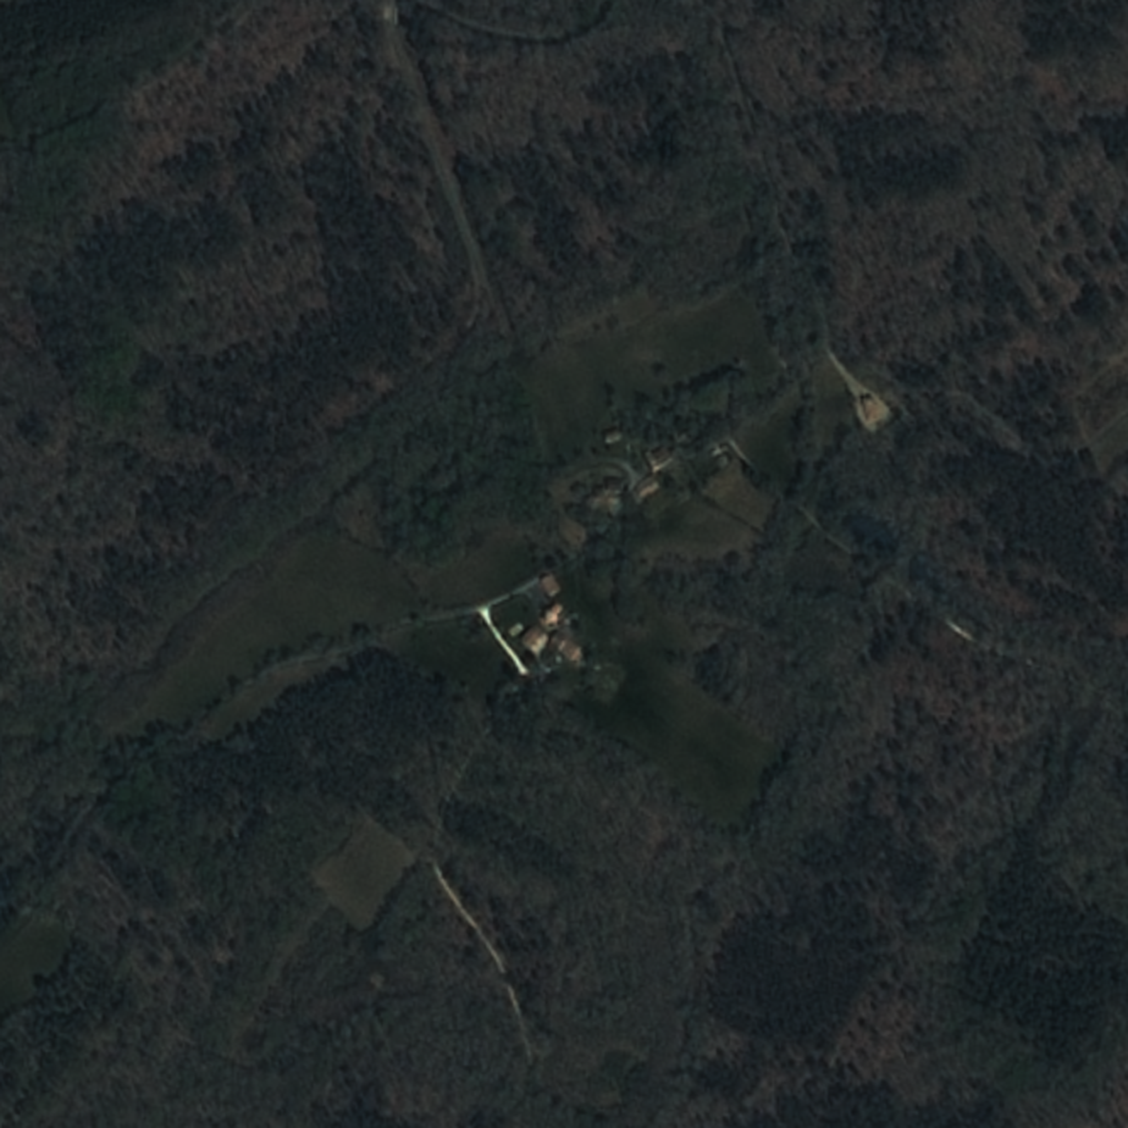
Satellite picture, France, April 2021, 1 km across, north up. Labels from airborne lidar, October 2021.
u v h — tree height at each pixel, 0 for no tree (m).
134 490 6
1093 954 15
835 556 10
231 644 0
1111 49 24
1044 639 21
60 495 8
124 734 0
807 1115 21
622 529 11
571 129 13
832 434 0
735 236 9
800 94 12
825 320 26
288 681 0
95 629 23
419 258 22
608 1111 7
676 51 13
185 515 23
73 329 21
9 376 10
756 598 24
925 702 9
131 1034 22
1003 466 23
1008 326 9
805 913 17
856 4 15
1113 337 16
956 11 13
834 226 16
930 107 14
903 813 12
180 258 28
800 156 14
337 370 25
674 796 13
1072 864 26
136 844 19
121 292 26
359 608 0
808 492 18
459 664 0
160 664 7
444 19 16
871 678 13
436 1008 21
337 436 16
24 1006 7
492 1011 19
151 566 17
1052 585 12
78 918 19
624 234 14
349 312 25
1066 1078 17
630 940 15
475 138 15
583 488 6
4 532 13
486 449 19
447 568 18
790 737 15
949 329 12
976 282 9
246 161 26
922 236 14
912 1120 20
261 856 21
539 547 8
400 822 13
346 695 20
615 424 6
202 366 8
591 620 0
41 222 19
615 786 22
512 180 18
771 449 0
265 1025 8
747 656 14
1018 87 14
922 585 17
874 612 16
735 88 18
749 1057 11
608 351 0
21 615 14
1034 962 19
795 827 24
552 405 0
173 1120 18
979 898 23
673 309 22
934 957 17
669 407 10
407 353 28
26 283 17
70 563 12
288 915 26
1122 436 0
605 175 20
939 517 11
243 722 0
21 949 0
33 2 14
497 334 15
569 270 21
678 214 17
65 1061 24
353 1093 16
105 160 19
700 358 0
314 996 11
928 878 15
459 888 24
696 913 22
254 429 10
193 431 10
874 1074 12
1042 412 17
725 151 25
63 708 17
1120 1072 8
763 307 11
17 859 25
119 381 21
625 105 27
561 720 18
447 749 12
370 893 0
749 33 13
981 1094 18
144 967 15
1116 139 21
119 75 13
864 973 14
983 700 14
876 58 15
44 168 17
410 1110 16
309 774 15
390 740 26
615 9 21
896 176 23
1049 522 24
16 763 18
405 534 25
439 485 26
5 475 12
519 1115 22
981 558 17
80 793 17
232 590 15
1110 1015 15
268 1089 22
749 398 19
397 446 28
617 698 0
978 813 13
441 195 10
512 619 0
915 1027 7
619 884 19
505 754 22
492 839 27
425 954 20
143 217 24
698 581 14
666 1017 15
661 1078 14
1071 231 7
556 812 23
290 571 0
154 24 15
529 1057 18
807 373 19
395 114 23
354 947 14
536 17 11
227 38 13
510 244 21
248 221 23
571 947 19
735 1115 10
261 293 20
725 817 0
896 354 8
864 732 14
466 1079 24
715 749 0
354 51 9
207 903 20
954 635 13
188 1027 22
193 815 16
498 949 10
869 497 20
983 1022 8
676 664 17
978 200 12
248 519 25
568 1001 14
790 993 16
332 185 26
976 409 12
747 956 18
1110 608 23
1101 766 21
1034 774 14
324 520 9
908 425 14
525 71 18
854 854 23
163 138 17
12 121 6
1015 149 19
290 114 10
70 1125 13
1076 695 20
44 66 11
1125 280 14
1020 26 15
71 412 13
